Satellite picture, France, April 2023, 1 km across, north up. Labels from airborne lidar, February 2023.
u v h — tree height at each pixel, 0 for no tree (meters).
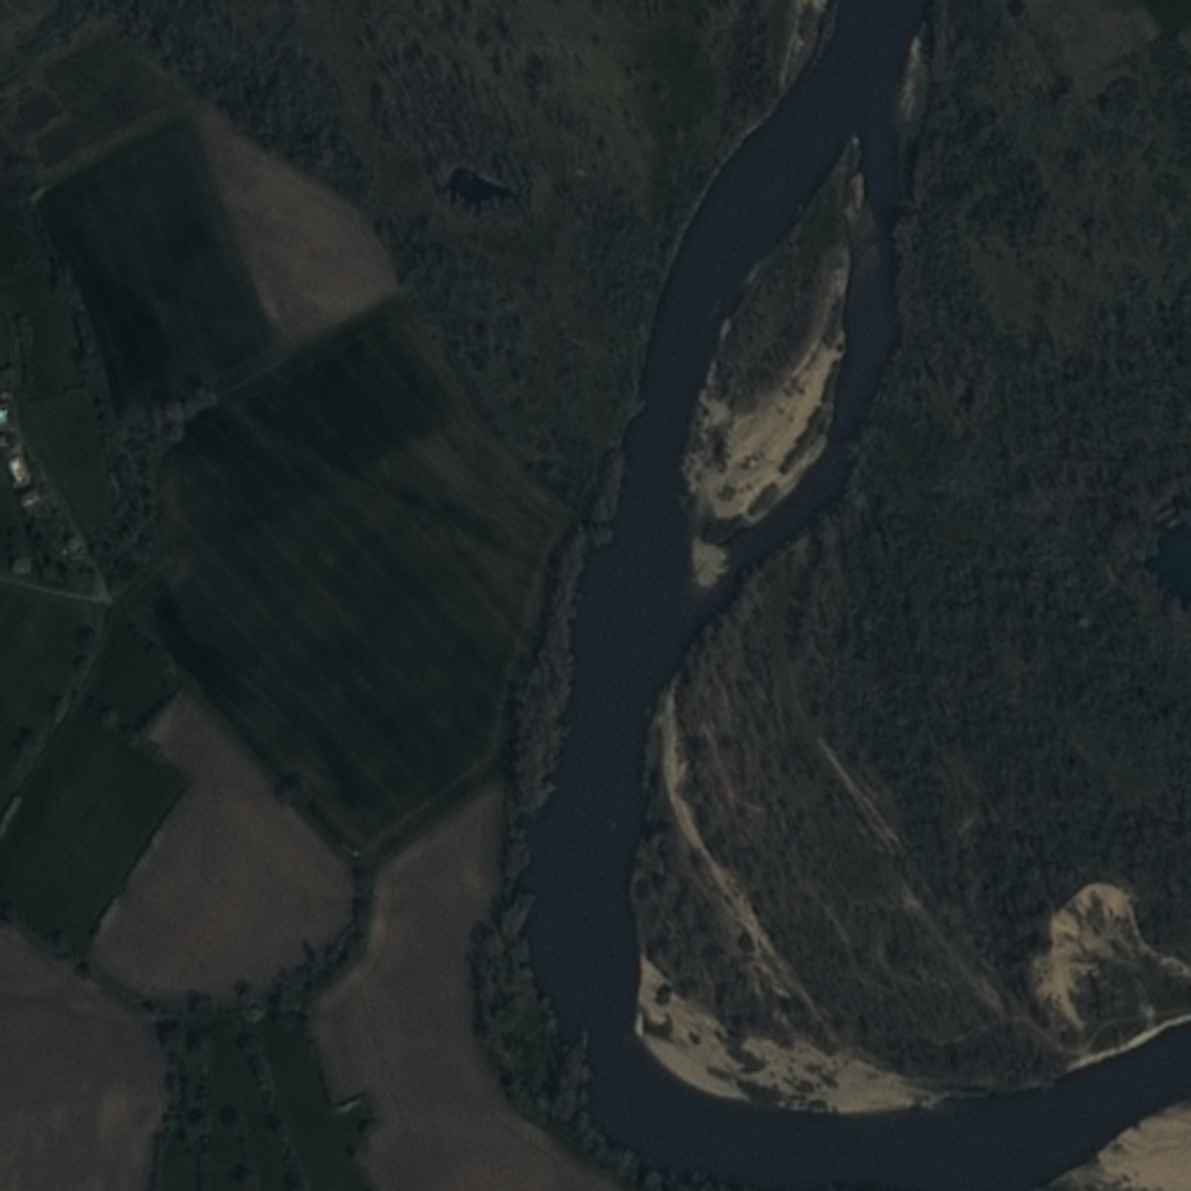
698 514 0
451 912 0
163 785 0
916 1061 19
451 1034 0
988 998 0
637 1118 0
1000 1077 17
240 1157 0
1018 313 0
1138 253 0
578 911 0
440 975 0
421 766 0
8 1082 0
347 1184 0
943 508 14
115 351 0
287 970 0
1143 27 0
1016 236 16
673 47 0
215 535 0
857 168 0
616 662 0
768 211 0
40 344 0
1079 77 0
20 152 0
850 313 0
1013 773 9
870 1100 0
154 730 13
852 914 12
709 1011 0
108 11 17
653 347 0
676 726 0
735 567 0
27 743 14
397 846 0
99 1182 0
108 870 0
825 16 0
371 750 0
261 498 0
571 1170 0
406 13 0
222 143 0
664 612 0
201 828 0
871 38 0
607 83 0
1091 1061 0
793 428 0
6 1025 0
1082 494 25
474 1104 0
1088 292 0
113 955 0
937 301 6
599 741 0
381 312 0
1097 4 0
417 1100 0
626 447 0
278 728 0
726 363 9
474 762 0
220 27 6
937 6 19
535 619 0
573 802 0
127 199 0
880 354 0
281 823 0
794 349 13
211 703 0
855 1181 0
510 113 13
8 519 0
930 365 16
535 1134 0
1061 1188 0
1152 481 22
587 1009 0
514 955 20
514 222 17
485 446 0
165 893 0
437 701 0
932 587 12
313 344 0
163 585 0
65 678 0
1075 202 0
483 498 0
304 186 0
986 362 16
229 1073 0
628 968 0
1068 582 6
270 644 0
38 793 0
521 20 0
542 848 0
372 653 0
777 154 0
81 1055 0
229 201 0
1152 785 0
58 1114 0
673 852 18
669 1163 0
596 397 0
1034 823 14
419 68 21
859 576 5
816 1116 0
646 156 0
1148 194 0
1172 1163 0
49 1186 0
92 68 0
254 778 0
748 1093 0
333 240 0
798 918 12
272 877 0
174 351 0
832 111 0
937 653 12
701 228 0
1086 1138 0
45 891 0
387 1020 0
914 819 8
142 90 0
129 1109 0
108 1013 0
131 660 0
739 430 0
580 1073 21
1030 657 10
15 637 0
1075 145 0
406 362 0
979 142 17
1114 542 26
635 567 0
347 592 0
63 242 0
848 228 0
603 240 11
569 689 5
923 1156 0
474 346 13
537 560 0
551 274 0
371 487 0
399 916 0
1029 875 8
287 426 0
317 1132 0
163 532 0
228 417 0
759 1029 13
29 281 0
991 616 16
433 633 0
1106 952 0
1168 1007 0
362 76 11
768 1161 0
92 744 0
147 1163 0
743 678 0
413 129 19
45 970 0
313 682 0
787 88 0
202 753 0
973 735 14
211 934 0
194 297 0
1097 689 14
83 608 0
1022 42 0
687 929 15
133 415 0
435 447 0
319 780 0
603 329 0
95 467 0
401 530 0
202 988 0
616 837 0
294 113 13
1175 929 14
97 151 0
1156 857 20
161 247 0
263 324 0
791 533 0
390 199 0
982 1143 0
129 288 0
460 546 0
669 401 0
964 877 8
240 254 0
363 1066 0
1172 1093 0
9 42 0
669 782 0
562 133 16
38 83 0
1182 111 5
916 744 16
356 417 0
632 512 0
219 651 0
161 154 0
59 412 0
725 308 0
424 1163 0
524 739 25
